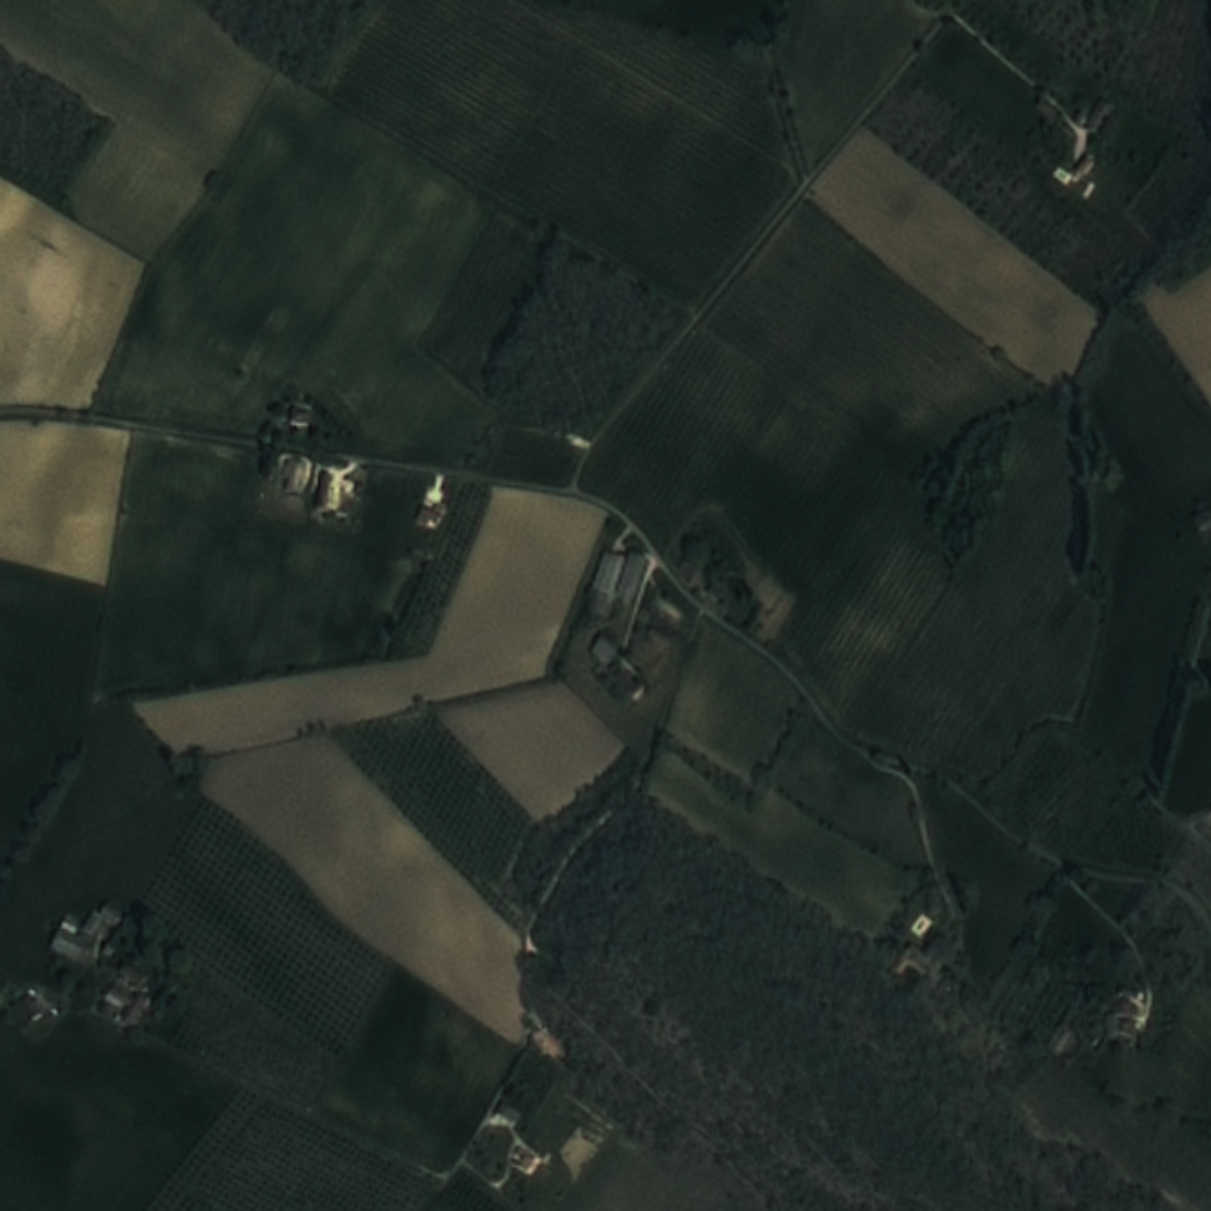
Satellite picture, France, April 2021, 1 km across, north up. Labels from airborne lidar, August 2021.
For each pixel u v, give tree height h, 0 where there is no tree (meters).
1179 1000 16
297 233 0
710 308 0
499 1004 0
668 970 12
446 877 0
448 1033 0
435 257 0
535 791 0
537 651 0
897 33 0
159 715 0
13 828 0
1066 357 0
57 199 9
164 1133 0
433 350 0
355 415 0
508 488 0
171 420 0
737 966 11
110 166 0
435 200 0
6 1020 11
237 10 15
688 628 0
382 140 0
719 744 0
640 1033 7
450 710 0
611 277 19
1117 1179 16
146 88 0
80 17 0
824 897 0
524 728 0
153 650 0
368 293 0
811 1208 11
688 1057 7
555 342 17
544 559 0
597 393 19
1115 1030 8
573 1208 0
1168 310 0
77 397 0
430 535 6
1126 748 0
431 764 6
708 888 20
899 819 0
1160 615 0
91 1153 0
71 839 0
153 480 0
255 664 0
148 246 0
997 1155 10
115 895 0
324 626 0
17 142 21
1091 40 11
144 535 0
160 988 7
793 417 0
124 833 0
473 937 0
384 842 0
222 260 0
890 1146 12
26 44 0
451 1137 0
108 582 0
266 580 0
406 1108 0
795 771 0
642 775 10
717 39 0
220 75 0
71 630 0
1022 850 7
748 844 0
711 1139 7
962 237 0
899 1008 17
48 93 19
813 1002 10
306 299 0
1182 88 6
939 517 13
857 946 20
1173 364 8
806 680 0
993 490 16
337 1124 0
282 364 0
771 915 22
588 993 9
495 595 0
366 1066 0
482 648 0
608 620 0
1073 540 0
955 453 14
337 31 20
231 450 0
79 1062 0
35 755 0
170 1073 0
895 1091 14
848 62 0
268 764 0
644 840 13
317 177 0
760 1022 14
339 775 0
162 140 0
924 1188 11
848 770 0
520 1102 8
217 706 0
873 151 0
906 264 0
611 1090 14
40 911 0
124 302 0
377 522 0
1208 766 0
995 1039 7
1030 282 0
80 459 0
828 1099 13
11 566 0
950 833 0
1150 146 0
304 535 0
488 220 0
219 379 0
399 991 0
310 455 11
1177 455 0
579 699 0
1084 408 18
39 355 0
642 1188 0
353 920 0
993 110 0
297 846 0
